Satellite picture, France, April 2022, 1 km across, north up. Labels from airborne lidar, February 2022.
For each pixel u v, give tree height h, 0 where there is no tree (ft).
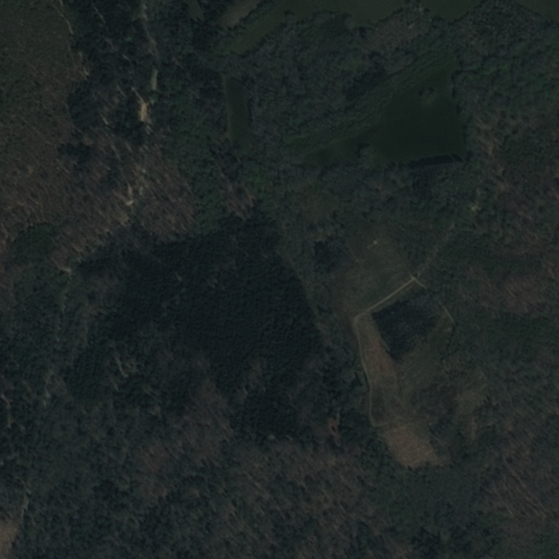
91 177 88
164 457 79
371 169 91
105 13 52
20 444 49
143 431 87
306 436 65
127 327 61
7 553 0
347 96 86
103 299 80
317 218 0
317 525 109
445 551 82
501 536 65
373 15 0
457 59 24
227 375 73
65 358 69
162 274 56
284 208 60
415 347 89
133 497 74
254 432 30
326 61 82
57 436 78
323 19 53
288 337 81
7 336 37
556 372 87
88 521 107
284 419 73
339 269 79
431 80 0
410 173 77
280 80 27
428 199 87
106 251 69
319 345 78
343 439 33
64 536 57
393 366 0
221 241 84
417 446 0
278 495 101
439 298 88
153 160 103
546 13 0
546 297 72
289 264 54
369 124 34
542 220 89
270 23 0
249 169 79
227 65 64
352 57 93
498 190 51
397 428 0
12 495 21
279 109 82
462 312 53
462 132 0
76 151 56
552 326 59
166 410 56
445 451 90
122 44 90
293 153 77
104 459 80
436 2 0
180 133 77
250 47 0
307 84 76
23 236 49
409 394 0
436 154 0
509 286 72
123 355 56
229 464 90
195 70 48
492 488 77
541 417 101
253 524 85
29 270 83
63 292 51
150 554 95
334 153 0
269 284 70
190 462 88
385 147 0
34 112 67
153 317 70
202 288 73
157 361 58
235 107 0
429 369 0
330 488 86
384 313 0
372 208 84
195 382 59
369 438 47
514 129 85
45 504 47
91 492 78
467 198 91
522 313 67
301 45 56
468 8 0
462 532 89
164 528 99
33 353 45
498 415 71
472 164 77
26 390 35
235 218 56
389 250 0
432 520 66
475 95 96
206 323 82
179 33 56
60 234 31
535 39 67
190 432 88
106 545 74
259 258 78
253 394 63
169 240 66
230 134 77
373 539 114
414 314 86
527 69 83
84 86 42
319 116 81
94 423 68
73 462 62
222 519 77
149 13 43
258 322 65
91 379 81
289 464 85
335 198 90
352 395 80
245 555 85
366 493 86
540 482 107
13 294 46
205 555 71
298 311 82
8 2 31
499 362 82
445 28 73
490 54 0
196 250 69
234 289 62
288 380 73
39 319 29
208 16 61
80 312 66
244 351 82
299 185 94
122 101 23
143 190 0
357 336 0
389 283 0
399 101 0
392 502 89
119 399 81
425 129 0
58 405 75
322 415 67
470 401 0
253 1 0
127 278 59
